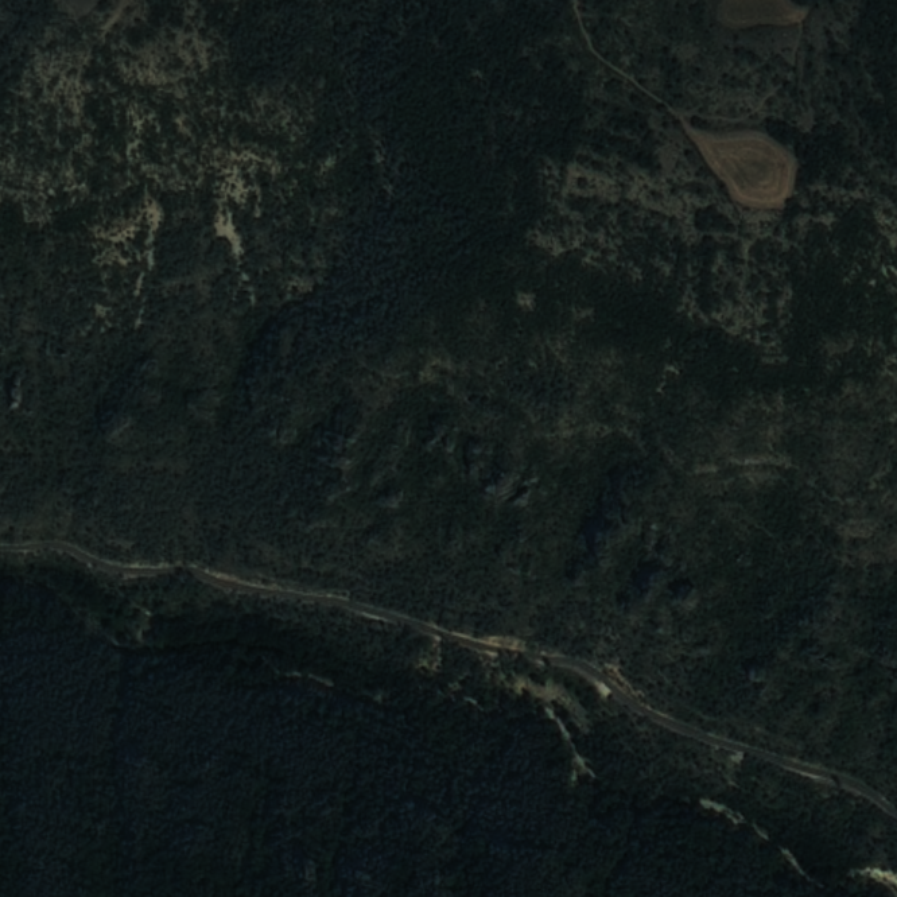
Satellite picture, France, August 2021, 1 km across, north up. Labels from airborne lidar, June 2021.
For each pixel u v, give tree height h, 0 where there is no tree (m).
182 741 24
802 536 7
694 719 7
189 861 7
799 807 11
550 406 11
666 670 10
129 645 9
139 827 12
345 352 8
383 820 11
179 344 7
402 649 14
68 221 9
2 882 14
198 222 6
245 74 8
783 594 11
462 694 10
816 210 7
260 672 18
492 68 7
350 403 7
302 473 12
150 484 11
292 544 7
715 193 0
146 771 10
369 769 15
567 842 11
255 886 22
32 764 9
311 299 15
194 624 16
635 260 6
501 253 9
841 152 7
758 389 6
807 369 7
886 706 10
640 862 15
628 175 0
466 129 6
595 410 6
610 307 7
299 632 10
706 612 10
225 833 22
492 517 8
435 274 14
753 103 0
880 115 7
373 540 8
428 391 7
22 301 8
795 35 0
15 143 5
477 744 18
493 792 12
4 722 20
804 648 7
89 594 20
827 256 7
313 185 6
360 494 9
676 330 9
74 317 11
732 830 20
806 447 7
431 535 6
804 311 7
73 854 11
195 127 6
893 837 8
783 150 0
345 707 16
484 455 8
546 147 6
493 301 7
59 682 15
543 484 7
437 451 11
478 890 23
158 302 9
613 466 7
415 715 13
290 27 16
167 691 17
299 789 11
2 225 9
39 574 10
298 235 8
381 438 7
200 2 7
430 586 6
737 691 11
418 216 7
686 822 24
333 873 17
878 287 9
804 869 14
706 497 7
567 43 0
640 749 6
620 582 10
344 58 17
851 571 9
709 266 8
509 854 12
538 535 8
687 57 0
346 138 14
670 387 6
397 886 19
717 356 6
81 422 11
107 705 17
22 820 7
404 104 10
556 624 8
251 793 17
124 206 9
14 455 9
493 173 7
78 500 14
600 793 17
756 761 11
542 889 18
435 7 8
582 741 17
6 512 9
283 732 13
